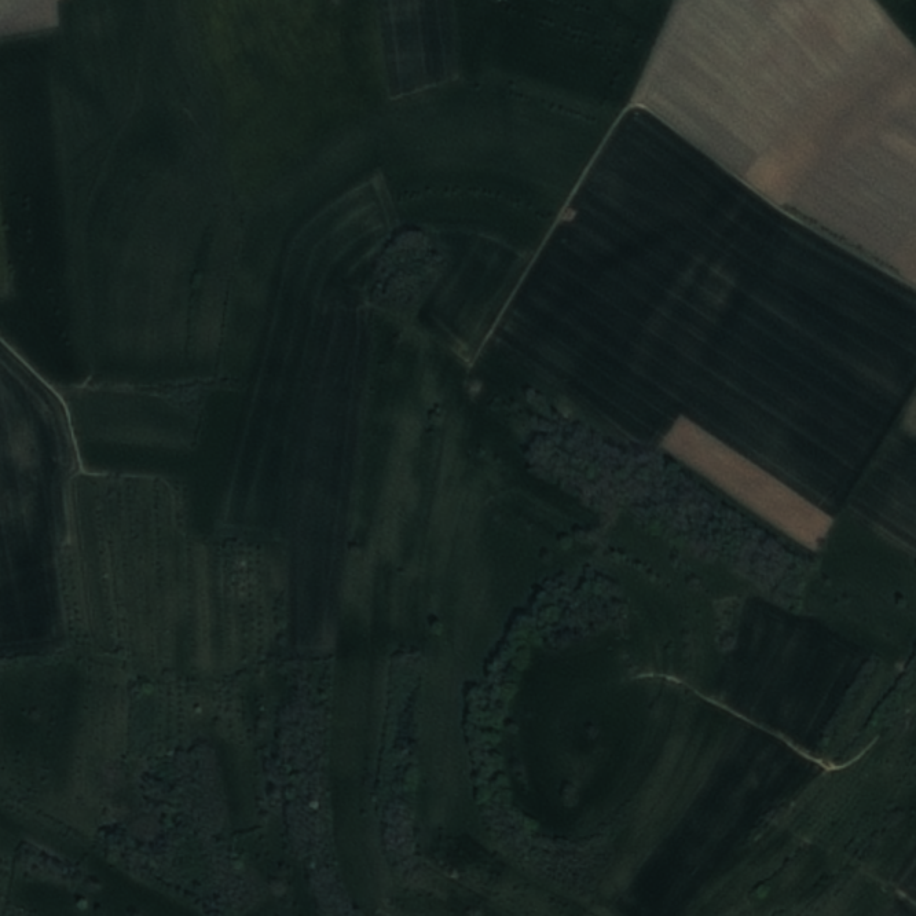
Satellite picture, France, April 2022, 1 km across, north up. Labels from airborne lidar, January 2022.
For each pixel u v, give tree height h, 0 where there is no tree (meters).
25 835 0
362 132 0
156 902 0
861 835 6
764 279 0
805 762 0
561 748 0
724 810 0
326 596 0
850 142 0
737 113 0
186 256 0
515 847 10
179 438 0
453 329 0
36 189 0
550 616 16
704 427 0
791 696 0
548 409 8
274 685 0
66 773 0
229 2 0
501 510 0
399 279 12
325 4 0
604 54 0
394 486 0
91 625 0
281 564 0
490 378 0
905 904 0
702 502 25
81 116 0
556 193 0
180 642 0
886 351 0
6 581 0
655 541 0
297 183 0
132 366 0
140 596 0
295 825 20
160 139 0
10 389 0
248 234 0
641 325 0
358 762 0
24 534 0
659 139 0
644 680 0
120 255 0
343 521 0
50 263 0
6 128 0
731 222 0
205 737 0
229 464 0
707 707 0
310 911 0
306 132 0
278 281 0
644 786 0
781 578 26
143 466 0
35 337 0
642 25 0
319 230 0
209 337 0
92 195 0
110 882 0
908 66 0
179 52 0
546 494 0
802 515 0
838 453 0
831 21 0
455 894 0
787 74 0
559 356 0
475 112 0
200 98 0
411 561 0
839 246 0
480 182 0
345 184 0
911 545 0
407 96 0
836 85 0
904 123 0
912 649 0
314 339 0
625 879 0
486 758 15
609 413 0
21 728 0
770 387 0
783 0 0
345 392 0
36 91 0
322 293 0
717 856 0
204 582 0
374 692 0
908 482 0
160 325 0
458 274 0
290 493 0
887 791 0
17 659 6
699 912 0
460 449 0
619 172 0
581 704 0
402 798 8
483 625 0
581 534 14
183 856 6
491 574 0
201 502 0
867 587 0
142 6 0
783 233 0
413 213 0
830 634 0
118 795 0
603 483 19
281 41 0
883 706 11
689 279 0
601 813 0
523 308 0
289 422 0
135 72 0
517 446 0
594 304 0
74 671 0
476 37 0
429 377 0
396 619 0
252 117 0
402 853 9
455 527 0
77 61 0
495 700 12
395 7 0
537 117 0
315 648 0
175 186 0
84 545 0
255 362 0
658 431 0
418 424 0
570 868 12
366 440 0
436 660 0
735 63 0
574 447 22
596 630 12
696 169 0
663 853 0
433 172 0
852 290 0
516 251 0
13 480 0
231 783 0
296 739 9
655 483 29
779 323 0
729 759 0
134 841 22
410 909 0
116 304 0
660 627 0
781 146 0
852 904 0
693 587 14
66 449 0
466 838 0
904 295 0
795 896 0
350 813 0
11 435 0
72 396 0
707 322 0
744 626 0
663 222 0
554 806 0
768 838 0
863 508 0
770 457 0
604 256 0
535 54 0
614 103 0
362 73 0
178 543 0
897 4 0
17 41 0
